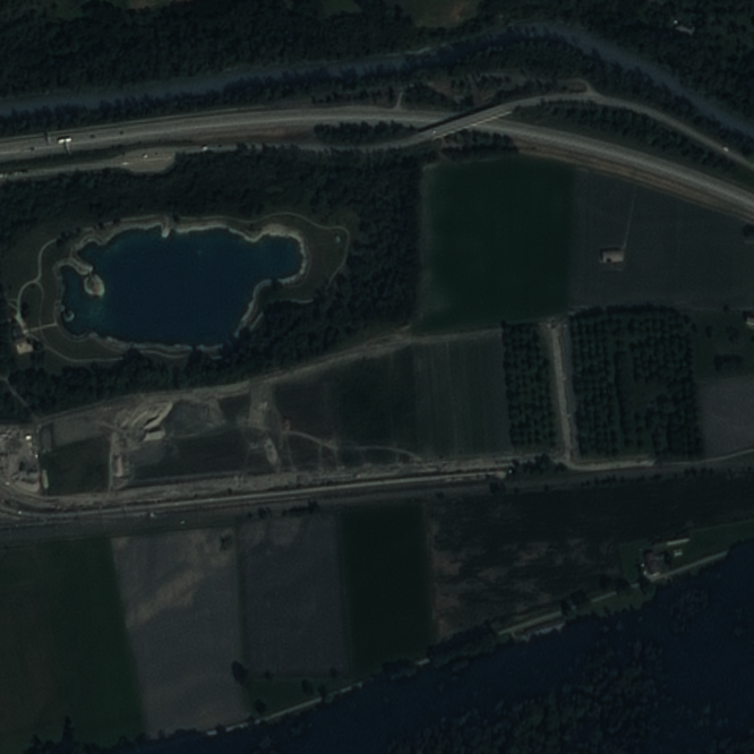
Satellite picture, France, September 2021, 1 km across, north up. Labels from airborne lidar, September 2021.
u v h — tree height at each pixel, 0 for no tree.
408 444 0
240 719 0
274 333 16
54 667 0
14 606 0
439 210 0
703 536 0
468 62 26
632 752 27
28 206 16
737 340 16
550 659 10
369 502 0
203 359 15
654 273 0
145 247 0
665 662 19
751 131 0
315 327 11
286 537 0
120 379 18
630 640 8
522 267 0
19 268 0
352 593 0
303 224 0
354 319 17
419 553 0
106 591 0
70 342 0
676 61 22
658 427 13
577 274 0
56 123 16
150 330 0
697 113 23
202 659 0
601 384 13
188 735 0
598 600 0
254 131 0
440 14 0
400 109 0
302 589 0
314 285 0
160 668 0
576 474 0
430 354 0
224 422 0
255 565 0
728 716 24
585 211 0
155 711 0
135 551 0
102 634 0
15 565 0
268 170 8
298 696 0
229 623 0
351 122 0
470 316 0
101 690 0
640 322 8
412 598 0
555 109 8
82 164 0
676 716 26
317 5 19
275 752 27
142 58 17
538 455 0
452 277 0
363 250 14
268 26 21
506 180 0
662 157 0
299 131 0
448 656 19
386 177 16
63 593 0
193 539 0
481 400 0
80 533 0
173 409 0
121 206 9
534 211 0
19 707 0
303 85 21
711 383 0
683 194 0
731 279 0
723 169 14
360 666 0
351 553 0
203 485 0
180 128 0
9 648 0
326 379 0
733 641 39
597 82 13
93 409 0
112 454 0
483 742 31
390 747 46
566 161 0
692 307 0
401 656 0
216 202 11
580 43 0
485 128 0
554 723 25
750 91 22
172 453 0
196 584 0
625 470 0
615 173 0
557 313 0
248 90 17
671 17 10
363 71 0
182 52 29
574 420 0
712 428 0
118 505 0
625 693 24
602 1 31
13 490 0
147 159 0
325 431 0
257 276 0
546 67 20
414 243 22
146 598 0
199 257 0
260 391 0
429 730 38
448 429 0
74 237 8
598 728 24
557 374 0
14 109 0
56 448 0
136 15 9
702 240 0
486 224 0
